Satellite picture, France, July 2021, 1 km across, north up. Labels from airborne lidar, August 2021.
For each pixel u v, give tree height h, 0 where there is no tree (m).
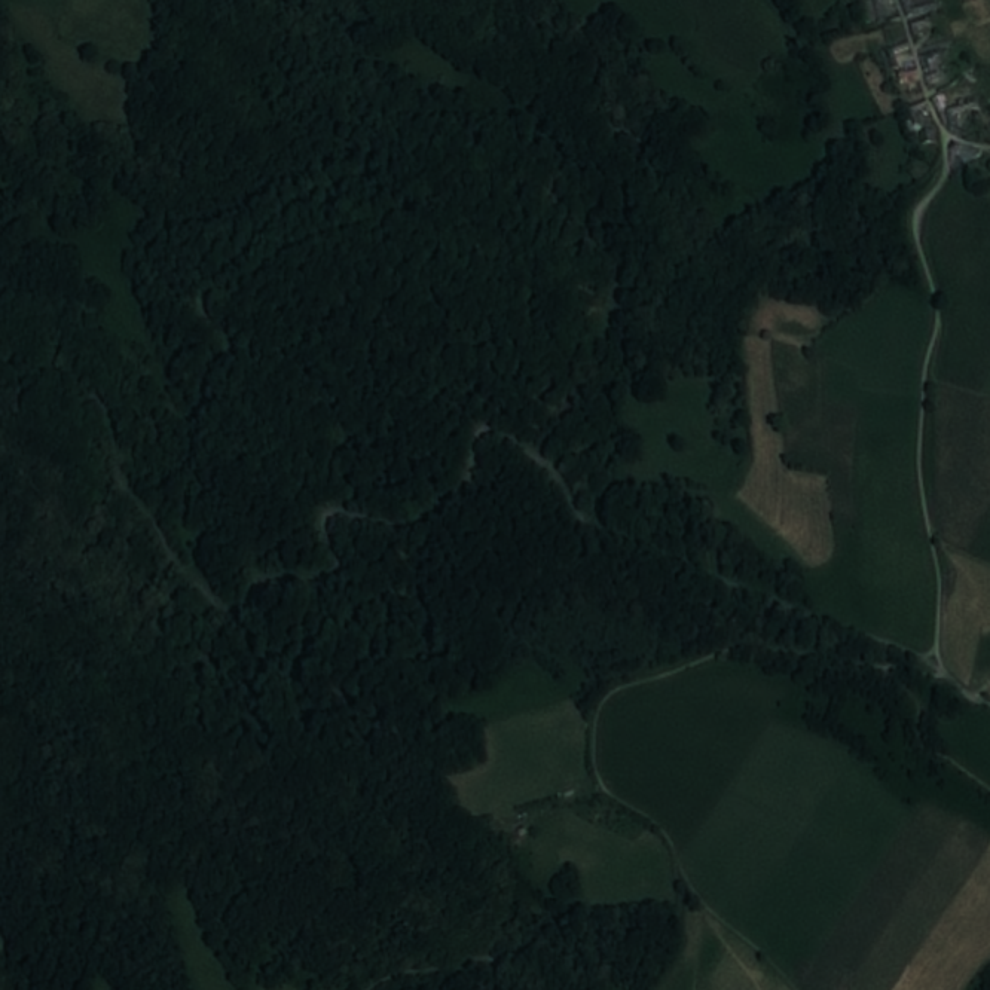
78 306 28
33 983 17
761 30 0
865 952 0
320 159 15
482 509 25
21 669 24
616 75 21
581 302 34
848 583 0
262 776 21
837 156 18
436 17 19
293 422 17
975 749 0
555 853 0
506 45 19
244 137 25
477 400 23
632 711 0
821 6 0
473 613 22
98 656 18
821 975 0
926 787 0
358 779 17
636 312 28
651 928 22
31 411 28
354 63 18
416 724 19
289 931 21
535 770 0
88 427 29
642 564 25
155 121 19
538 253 22
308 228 23
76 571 21
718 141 0
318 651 30
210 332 22
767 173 0
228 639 23
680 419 0
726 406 16
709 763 0
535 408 30
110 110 0
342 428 24
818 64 12
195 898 18
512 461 20
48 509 21
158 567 16
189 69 27
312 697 30
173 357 14
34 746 18
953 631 0
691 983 0
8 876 20
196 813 21
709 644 19
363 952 25
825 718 8
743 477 0
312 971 20
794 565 16
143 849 23
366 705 27
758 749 0
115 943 16
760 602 10
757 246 24
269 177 18
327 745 33
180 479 24
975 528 0
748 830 0
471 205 24
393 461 29
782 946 0
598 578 20
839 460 0
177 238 25
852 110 0
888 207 16
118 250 0
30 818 18
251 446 22
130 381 19
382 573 26
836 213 22
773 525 0
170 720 21
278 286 21
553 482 8
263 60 34
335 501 21
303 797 11
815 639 23
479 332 23
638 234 26
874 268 22
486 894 23
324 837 22
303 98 24
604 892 0
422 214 28
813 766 0
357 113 12
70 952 19
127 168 30
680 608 18
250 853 20
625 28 26
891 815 0
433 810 21
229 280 15
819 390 0
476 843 23
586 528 28
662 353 21
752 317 14
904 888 0
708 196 17
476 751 22
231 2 22
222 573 26
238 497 24
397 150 26
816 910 0
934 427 0
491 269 22
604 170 31
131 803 16
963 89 0
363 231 27
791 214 25
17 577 26
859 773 0
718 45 0
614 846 0
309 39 21
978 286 0
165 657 29
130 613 21
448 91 26
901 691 18
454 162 26
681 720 0
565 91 28
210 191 20
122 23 0
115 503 28
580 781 0
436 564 26
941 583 0
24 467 22
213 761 22
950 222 0
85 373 32
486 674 21
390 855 23
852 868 0
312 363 30
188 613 26
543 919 22
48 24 0
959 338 0
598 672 14
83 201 20
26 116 14
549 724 0
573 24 17
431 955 21
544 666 9
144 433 24
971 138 9
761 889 0
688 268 22
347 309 18
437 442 27
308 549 27
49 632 26
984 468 0
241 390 14
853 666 18
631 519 35
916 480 0
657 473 0
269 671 30
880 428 0
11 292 16
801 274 24
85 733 25
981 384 0
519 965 27
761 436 0
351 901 23
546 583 18
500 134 26
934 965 0
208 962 0
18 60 22
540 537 25
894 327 0
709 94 0
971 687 0
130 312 0
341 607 25
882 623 0
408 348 15
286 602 30
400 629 20
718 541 15
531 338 23
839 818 0
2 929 30
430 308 23
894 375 0
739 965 0
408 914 26
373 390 21
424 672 28
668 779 0
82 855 29
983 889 0
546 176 30
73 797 24
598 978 20
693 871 0
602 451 32
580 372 19
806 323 0
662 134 32
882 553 0
